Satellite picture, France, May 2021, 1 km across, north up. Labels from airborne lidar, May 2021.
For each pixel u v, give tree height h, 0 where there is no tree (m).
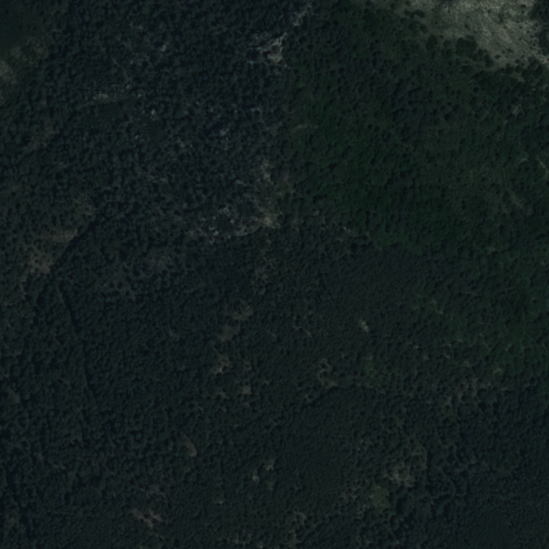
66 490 24
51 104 25
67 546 24
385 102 18
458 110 22
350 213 9
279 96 14
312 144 26
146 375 29
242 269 17
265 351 29
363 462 23
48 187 16
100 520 22
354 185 21
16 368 29
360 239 11
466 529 20
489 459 27
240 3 25
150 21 10
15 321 30
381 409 21
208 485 29
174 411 21
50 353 26
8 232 23
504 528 20
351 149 23
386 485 23
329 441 25
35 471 25
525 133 18
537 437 34
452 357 13
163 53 10
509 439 26
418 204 15
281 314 15
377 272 33
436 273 27
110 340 29
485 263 20
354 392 28
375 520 29
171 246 22
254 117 14
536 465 29
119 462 29
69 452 31
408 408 26
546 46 10
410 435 25
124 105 17
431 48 10
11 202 8
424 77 10
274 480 24
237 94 22
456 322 22
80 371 31
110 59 7
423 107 21
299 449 27
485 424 25
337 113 9
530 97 23
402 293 28
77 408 29
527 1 0
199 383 15
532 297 21
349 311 26
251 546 24
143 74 12
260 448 29
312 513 25
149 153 19
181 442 25
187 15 21
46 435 25
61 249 20
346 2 11
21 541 29
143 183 20
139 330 30
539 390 26
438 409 25
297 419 33
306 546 29
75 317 29
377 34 12
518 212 14
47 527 28
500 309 14
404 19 8
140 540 28
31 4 11
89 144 23
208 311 22
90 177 27
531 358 22
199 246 21
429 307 26
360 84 22
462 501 22
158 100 16
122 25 7
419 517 16
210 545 32
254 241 14
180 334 23
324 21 11
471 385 17
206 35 7
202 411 21
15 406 30
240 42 14
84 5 31
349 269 29
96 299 26
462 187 8
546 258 25
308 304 22
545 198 9
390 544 17
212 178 22
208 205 7
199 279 17
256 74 14
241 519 24
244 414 28
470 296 18
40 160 23
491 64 9
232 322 22
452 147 5
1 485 33
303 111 7
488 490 23
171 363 19
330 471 25
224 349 20
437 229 12
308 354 30
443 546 28
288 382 28
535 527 23
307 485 31
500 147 9
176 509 27
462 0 0
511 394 32
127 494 21
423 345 26
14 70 8
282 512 26
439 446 23
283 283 14
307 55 24
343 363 28
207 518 26
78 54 9
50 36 6
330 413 27
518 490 25
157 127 8
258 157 14
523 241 20
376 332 25
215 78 19
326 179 27
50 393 27
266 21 17
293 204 26
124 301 21
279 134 8
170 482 22
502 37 0
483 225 23
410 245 20
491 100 9
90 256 29
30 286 32
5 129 27
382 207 19
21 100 24
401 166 19
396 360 23
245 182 6
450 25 0
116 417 27
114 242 35
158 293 17
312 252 13
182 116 12
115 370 26
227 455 28
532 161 9
